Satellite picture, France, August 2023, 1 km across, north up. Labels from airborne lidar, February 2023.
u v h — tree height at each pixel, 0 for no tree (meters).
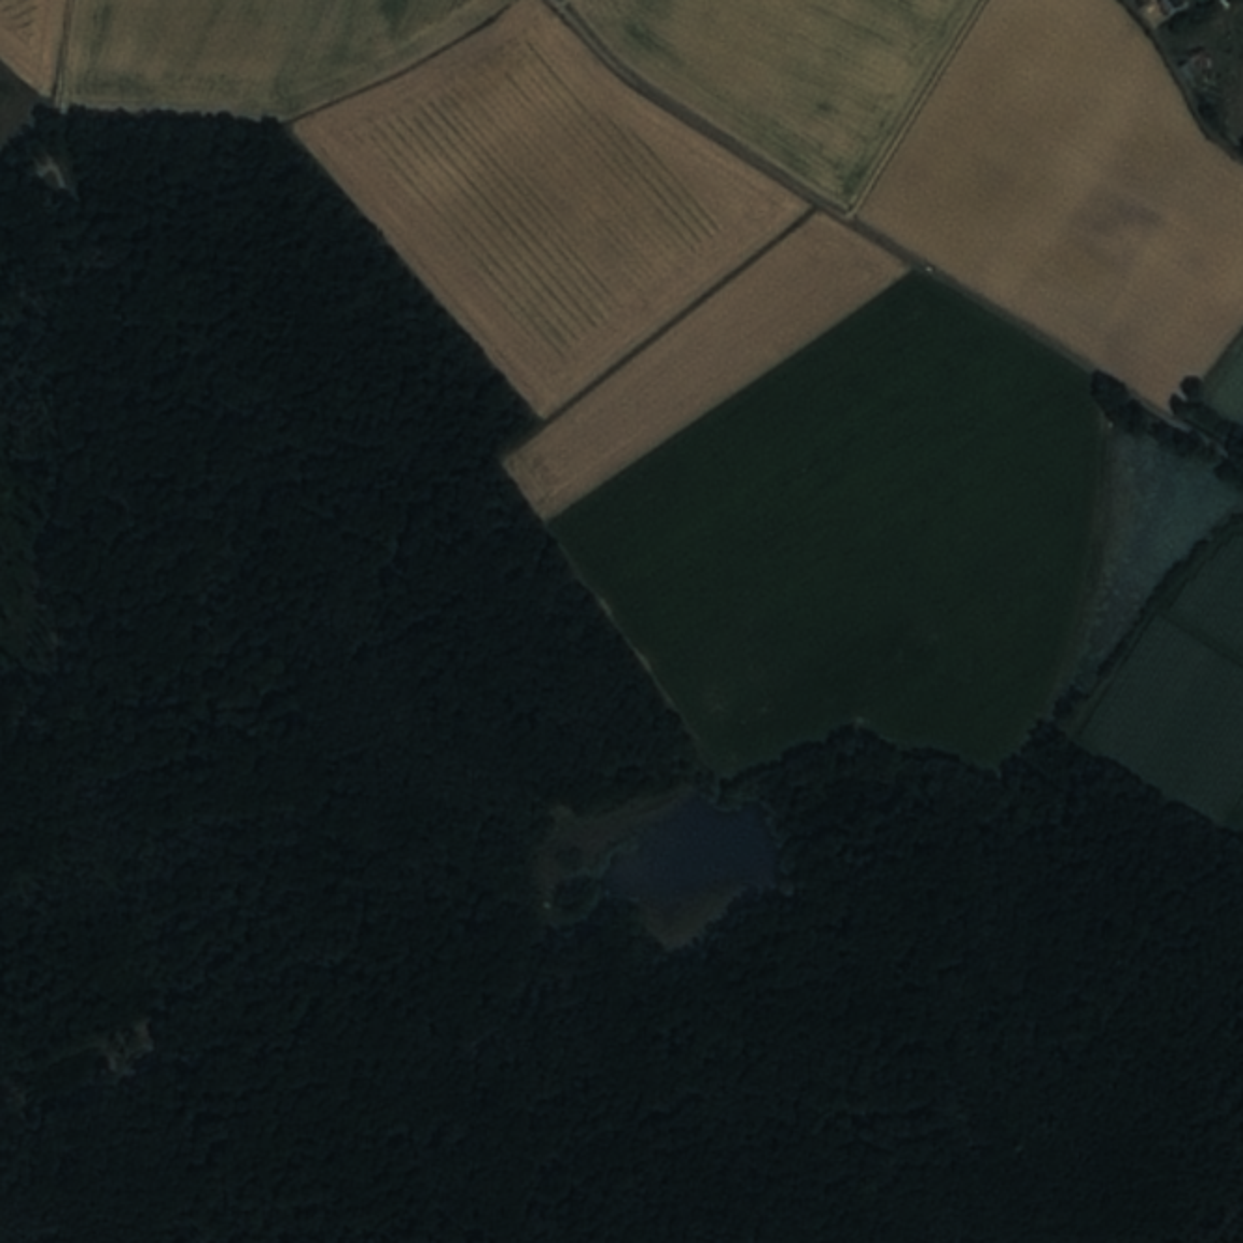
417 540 29
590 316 0
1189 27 7
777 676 0
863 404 0
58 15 0
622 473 0
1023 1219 20
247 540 23
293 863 26
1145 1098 20
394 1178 22
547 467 0
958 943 17
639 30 0
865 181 0
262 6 0
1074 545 0
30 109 0
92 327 17
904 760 13
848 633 0
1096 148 0
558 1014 22
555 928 0
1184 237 0
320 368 17
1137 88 0
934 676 0
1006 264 0
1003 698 0
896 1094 22
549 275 0
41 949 21
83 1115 24
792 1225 26
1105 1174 20
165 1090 26
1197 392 17
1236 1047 10
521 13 0
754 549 0
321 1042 25
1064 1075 18
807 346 0
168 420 25
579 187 0
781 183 0
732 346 0
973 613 0
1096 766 8
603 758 24
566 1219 23
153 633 26
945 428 0
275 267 21
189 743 17
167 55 0
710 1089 20
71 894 14
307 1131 27
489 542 25
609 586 0
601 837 0
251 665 18
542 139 0
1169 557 0
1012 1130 16
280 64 0
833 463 0
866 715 0
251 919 12
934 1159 18
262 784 27
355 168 0
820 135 0
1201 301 0
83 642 21
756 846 0
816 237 0
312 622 23
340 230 12
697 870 0
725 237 0
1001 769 0
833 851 19
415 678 22
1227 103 0
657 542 0
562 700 26
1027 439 0
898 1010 22
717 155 0
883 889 28
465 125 0
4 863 17
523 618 22
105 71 0
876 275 0
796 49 0
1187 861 20
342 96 0
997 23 0
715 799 13
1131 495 0
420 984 21
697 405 0
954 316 0
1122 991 17
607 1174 23
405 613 19
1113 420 17
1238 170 0
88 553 27
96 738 22
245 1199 23
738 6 0
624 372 0
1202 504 0
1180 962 18
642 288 0
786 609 0
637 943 19
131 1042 21
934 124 0
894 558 0
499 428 12
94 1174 24
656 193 0
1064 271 0
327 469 19
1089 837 15
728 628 0
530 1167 26
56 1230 20
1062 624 0
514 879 18
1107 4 0
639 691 22
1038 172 0
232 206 24
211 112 0
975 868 26
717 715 0
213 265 19
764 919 22
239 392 14
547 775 25
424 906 26
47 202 24
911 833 24
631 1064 25
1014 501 0
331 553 27
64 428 23
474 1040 25
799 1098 15
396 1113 24
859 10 0
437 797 21
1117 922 22
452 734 25
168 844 21
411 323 19
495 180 0
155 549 22
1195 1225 18
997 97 0
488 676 25
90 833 15
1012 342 0
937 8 0
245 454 26
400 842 25
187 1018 21
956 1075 21
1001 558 0
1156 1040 22
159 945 18
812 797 20
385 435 22
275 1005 27
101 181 19
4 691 28
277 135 13
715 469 0
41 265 23
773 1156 24
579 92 0
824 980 15
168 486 18
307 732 26
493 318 0
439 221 0
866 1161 21
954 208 0
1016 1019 18
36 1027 14
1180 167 0
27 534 21
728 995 23
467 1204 25
